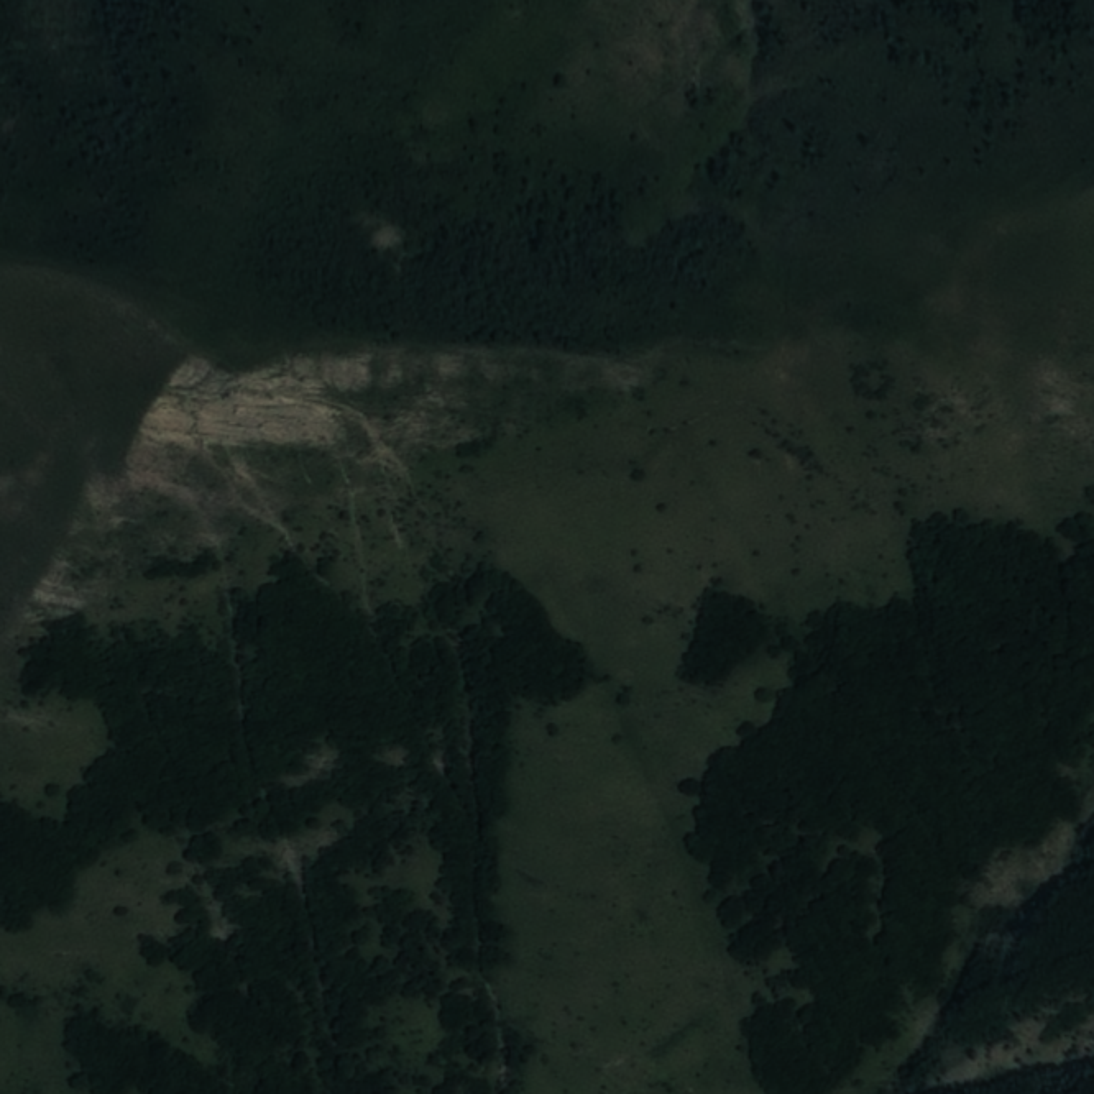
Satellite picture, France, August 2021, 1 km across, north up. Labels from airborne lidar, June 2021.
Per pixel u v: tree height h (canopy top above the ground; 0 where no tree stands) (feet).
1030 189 0
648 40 0
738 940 33
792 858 43
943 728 44
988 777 43
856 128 0
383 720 59
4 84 0
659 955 0
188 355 0
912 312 0
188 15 22
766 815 58
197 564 41
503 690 45
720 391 0
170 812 40
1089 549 42
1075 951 44
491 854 41
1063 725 46
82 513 0
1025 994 48
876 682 70
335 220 21
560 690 54
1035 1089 52
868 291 0
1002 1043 33
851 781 57
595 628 0
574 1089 0
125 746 56
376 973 43
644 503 0
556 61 0
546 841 0
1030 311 0
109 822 67
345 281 32
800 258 0
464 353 0
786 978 28
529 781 0
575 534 0
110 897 0
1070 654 59
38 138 0
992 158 0
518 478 0
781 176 28
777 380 0
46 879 55
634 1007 0
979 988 38
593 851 0
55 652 58
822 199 0
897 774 73
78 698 39
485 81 0
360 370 0
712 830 60
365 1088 45
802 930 58
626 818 0
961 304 0
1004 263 0
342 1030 40
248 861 33
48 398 0
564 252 17
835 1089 46
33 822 40
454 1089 56
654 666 0
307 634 64
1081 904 52
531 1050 32
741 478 0
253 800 30
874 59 0
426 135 22
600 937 0
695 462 0
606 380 0
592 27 0
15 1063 0
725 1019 0
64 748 0
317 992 37
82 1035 56
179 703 41
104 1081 53
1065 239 0
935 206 0
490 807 43
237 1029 64
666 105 0
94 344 0
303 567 55
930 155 0
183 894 28
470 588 50
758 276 0
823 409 0
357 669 46
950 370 0
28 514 0
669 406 0
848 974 67
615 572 0
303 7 0
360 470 0
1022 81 26
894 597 19
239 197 0
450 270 21
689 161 0
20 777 0
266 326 0
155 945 37
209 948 49
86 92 0
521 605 49
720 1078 0
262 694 35
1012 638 59
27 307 0
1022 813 66
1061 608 57
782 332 0
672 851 0
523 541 0
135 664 38
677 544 0
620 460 0
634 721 0
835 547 0
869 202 0
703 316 0
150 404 0
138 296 0
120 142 19
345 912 48
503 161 32
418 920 45
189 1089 68
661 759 0
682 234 30
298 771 54
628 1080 0
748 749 45
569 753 0
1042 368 0
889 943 58
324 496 0
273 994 58
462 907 43
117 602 20
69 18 0
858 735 58
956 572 58
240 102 0
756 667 0
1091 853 54
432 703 39
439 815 56
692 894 0
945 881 45
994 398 0
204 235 0
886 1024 36
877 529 0
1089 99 0
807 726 68
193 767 56
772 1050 47
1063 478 0
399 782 40
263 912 51
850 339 0
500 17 0
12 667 0
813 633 22
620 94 0
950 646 56
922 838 70
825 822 65
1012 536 37
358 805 47
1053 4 44
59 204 0
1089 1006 23
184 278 0
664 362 0
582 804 0
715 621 56
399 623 27
